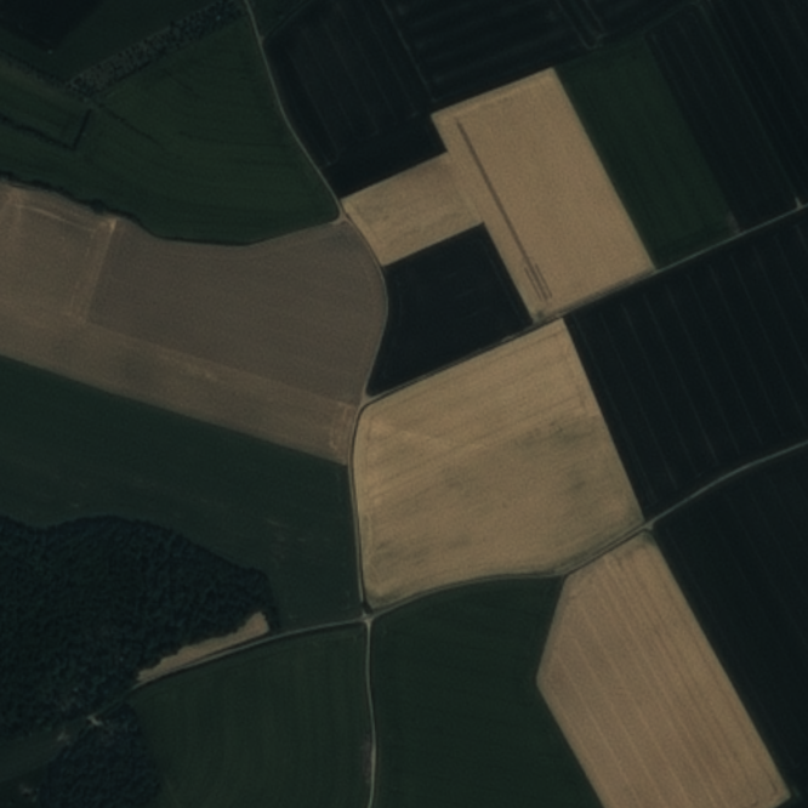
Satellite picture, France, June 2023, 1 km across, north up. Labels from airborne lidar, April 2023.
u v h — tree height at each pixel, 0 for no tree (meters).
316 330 0
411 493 0
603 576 0
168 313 0
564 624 0
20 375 0
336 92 0
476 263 0
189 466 0
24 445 0
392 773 0
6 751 0
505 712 0
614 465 0
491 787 0
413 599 0
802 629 0
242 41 0
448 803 0
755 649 0
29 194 0
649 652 0
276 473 0
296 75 0
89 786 21
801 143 0
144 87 0
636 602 0
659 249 0
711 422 0
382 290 0
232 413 0
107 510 0
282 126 0
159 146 0
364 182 0
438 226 0
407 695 0
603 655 0
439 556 0
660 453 0
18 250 0
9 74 0
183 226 0
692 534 0
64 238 0
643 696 0
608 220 0
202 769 0
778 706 0
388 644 0
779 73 0
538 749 0
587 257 0
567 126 0
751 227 0
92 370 0
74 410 0
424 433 0
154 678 0
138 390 0
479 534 0
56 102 0
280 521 0
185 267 0
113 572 17
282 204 0
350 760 0
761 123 0
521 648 0
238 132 0
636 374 0
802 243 0
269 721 0
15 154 0
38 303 0
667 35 0
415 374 0
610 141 0
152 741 0
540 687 0
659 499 0
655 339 0
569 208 0
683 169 0
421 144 0
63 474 0
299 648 0
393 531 0
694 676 0
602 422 0
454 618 0
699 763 0
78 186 0
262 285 0
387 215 0
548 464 0
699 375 0
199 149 0
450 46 0
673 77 0
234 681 0
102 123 0
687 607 0
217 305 0
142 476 0
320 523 0
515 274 0
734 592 0
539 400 0
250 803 0
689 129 0
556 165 0
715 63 0
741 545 0
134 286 0
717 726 0
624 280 0
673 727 0
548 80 0
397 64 0
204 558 13
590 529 0
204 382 0
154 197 0
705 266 0
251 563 0
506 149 0
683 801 0
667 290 0
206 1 0
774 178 0
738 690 0
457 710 0
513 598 0
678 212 0
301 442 0
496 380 0
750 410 0
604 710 0
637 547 0
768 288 0
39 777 0
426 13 0
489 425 0
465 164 0
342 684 0
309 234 0
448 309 0
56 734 0
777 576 0
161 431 0
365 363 0
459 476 0
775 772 0
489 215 0
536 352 0
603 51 0
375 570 0
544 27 0
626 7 0
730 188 0
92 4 0
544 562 0
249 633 0
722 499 0
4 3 0
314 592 0
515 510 0
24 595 13
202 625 18
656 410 0
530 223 0
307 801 0
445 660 0
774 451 0
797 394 0
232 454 0
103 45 0
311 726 0
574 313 0
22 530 14
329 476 0
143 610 17
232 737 0
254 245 0
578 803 0
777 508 0
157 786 16
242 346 0
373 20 0
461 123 0
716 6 0
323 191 0
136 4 0
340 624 0
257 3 0
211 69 0
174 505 0
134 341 0
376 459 0
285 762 0
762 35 0
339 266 0
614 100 0
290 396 0
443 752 0
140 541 14
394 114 0
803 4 0
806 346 0
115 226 0
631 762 0
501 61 0
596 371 0
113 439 0
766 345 0
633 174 0
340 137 0
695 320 0
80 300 0
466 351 0
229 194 0
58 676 16
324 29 0
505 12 0
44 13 0
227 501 0
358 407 0
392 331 0
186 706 0
